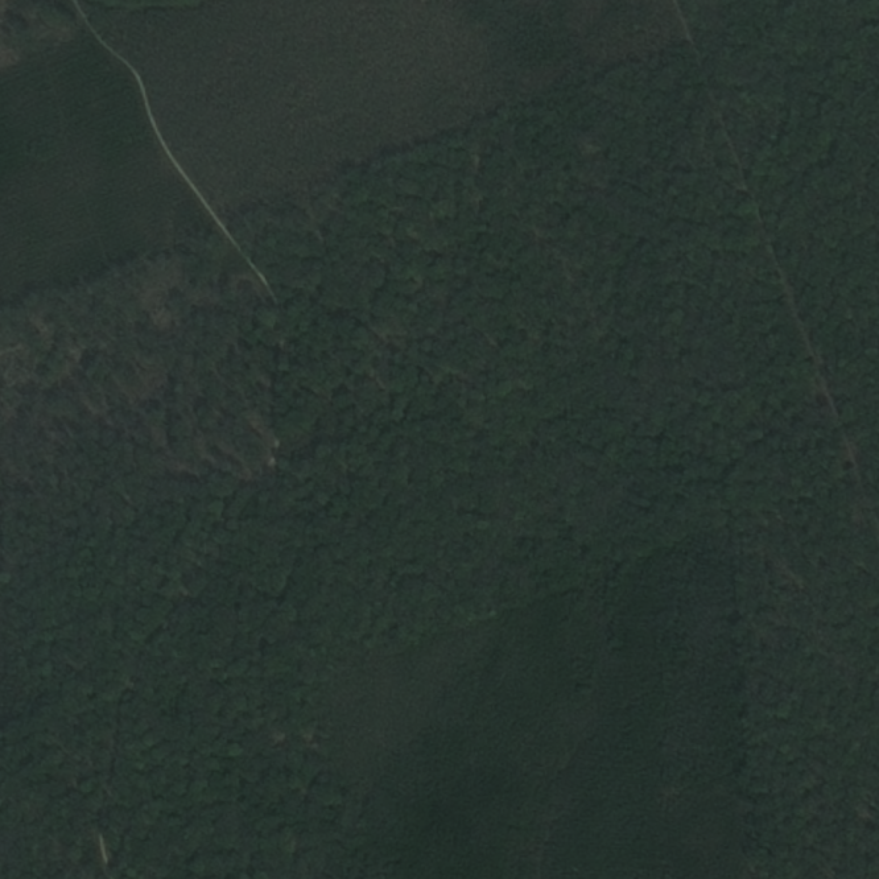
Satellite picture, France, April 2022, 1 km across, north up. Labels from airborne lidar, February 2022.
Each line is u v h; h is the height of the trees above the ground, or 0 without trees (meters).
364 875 25
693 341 27
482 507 31
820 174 26
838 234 29
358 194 29
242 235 26
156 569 29
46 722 30
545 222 32
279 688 28
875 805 26
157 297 0
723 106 23
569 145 27
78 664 27
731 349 29
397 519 30
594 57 10
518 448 33
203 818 23
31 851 26
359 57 11
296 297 25
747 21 20
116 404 28
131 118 6
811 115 27
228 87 11
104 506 33
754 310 30
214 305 0
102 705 30
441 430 31
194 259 25
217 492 27
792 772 21
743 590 28
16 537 30
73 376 0
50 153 6
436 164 28
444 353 31
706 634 20
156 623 28
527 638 9
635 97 27
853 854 28
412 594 29
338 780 26
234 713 31
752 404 31
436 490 31
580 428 27
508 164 32
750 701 27
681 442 22
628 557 26
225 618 33
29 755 30
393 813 19
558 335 29
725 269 31
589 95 23
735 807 6
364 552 31
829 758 28
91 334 30
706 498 31
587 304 32
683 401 26
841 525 29
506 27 18
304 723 27
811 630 30
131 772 25
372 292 31
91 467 30
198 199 0
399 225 26
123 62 0
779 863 29
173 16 11
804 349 27
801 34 27
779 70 25
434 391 31
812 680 29
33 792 28
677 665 11
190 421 23
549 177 29
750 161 25
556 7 11
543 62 11
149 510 29
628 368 26
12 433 27
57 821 30
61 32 0
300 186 13
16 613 29
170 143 11
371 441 25
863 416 29
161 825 29
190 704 29
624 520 26
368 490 28
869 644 25
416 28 10
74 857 32
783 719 22
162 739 29
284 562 24
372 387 30
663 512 29
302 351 30
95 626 31
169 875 29
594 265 32
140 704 27
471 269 26
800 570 29
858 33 25
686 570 15
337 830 25
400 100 11
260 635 30
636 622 16
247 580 29
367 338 30
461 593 31
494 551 29
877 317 27
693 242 30
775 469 28
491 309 31
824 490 31
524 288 31
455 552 31
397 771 16
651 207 23
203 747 27
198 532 30
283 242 29
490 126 18
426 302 29
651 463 27
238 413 29
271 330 25
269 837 30
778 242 21
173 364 32
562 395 32
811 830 27
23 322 28
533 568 21
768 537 27
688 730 11
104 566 32
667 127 27
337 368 27
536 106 10
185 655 29
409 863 11
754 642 29
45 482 33
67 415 30
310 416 28
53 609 32
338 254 28
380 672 12
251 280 0
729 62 28
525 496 32
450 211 32
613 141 21
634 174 21
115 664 27
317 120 12
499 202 29
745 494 29
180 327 0
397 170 32
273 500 27
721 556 17
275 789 32
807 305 24
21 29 31
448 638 13
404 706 13
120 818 29
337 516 23
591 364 24
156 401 0
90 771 26
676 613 17
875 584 28
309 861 30
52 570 31
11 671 15
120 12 22
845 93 26
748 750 21
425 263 29
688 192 20
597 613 8
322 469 27
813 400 32
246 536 24
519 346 33
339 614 30
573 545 26
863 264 29
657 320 27
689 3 20
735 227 28
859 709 29
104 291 29
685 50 13
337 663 17
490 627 11
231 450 32
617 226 27
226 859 29
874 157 26
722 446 28
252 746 28
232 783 27
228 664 30
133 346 31
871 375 27
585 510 29
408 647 26
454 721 20
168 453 0
